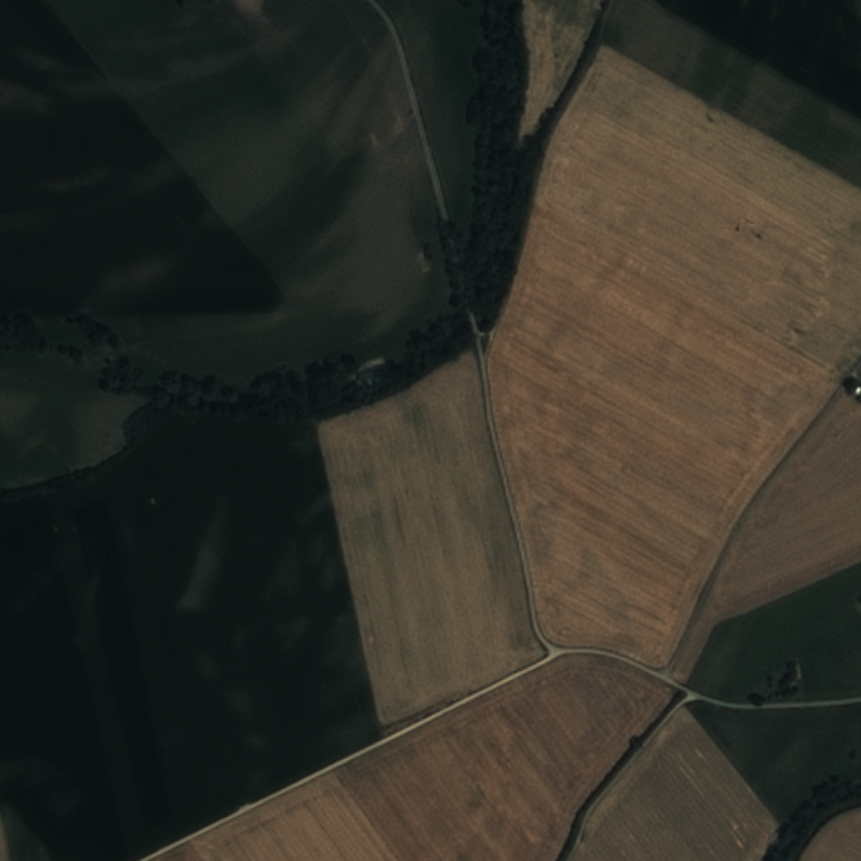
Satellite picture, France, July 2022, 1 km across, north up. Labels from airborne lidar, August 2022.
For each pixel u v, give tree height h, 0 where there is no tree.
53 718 0
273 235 0
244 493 0
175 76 0
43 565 0
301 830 0
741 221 0
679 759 0
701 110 0
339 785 0
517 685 0
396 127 0
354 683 0
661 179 0
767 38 0
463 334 25
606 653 0
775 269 0
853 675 0
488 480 0
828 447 0
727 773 0
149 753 0
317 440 0
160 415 6
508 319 0
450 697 0
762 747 0
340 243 0
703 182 0
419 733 0
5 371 0
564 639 0
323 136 0
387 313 0
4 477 0
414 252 0
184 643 0
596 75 0
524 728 0
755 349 0
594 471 0
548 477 0
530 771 0
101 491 0
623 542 0
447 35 0
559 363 0
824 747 0
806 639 0
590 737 0
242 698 0
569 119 0
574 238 0
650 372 0
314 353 0
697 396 0
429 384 0
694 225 0
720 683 0
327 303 0
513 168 16
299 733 0
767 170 0
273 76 0
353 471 0
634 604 0
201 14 0
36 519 0
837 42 0
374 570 0
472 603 0
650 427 0
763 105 0
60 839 0
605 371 0
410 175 0
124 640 0
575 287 0
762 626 0
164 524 0
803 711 0
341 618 0
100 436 0
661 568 0
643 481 0
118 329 0
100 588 0
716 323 0
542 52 0
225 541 0
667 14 0
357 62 0
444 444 0
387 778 0
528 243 0
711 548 0
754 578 0
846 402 0
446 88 0
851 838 0
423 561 0
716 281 0
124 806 0
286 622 0
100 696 0
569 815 0
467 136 0
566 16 0
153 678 0
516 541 0
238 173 0
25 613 0
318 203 0
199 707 0
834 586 0
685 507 0
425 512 0
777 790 0
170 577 0
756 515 0
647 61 0
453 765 0
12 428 0
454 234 19
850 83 0
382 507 0
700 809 0
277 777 0
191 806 0
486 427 0
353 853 0
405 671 0
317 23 0
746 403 0
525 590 0
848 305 0
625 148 0
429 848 0
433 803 0
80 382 0
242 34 0
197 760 0
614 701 0
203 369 0
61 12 0
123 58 0
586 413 0
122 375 9
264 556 0
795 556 0
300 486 0
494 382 0
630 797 0
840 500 0
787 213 0
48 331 0
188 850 0
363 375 0
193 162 0
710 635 0
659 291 0
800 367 0
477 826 0
